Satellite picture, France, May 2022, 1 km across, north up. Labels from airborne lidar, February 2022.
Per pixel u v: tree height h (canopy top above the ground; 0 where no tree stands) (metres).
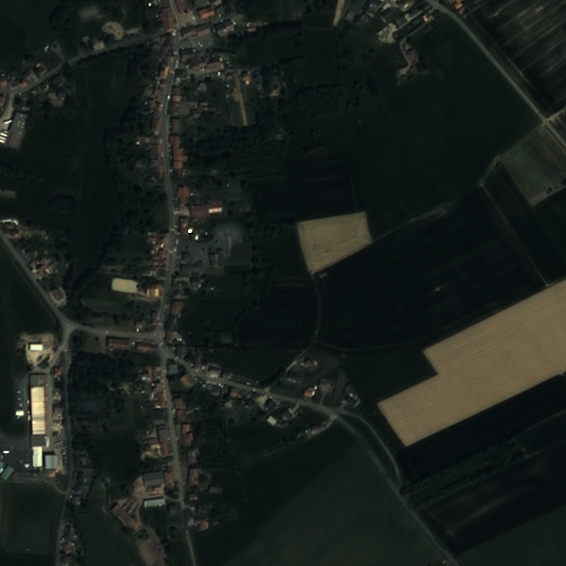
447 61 0
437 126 0
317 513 0
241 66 0
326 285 0
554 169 0
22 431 0
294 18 0
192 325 0
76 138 0
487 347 0
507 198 0
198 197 0
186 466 0
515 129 0
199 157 14
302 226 0
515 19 0
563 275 0
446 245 0
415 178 0
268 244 0
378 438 0
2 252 0
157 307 0
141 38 0
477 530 0
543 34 0
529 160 0
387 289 0
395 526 0
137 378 7
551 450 0
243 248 0
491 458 20
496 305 0
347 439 0
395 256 0
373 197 0
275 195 0
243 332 0
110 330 0
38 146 0
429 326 0
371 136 0
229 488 0
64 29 16
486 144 0
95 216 0
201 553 0
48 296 0
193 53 0
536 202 0
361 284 0
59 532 0
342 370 0
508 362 0
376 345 0
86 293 0
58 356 0
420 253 0
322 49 0
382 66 0
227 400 10
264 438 0
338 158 0
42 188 0
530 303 0
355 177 0
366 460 0
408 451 0
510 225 0
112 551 0
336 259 0
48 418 0
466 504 0
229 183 0
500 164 0
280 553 0
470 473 0
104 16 0
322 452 0
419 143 0
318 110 8
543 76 0
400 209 0
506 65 0
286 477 0
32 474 0
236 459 0
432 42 0
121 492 13
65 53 0
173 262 0
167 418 0
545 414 0
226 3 17
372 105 0
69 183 0
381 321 0
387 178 0
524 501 0
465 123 0
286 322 0
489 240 0
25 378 0
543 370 0
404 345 0
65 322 0
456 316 0
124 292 0
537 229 0
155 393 0
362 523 0
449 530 0
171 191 0
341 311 0
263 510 0
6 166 17
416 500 0
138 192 20
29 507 0
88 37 0
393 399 0
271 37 9
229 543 0
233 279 0
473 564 0
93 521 0
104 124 0
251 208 0
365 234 0
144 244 0
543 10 0
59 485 0
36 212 0
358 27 0
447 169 0
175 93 0
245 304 0
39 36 0
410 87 0
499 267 0
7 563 0
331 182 0
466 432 0
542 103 0
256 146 9
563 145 0
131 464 0
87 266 0
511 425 0
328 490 0
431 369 0
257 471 0
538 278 0
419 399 0
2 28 0
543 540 0
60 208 16
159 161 0
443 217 0
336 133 0
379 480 0
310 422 0
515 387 0
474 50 0
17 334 0
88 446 17
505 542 0
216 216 0
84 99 0
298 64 7
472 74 0
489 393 0
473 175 0
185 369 8
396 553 0
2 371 0
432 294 0
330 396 0
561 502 0
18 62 0
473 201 0
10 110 0
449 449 0
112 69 0
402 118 0
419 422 0
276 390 0
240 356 0
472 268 0
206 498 0
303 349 0
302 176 0
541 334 0
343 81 0
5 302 0
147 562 0
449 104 0
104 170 0
